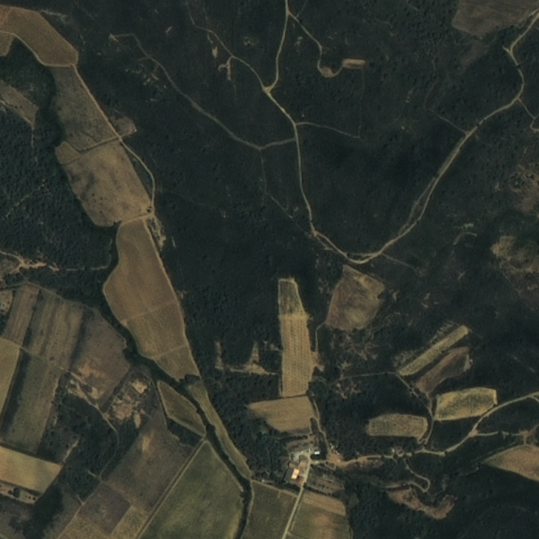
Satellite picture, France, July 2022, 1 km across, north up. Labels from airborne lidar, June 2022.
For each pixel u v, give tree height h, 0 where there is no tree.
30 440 0
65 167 0
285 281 0
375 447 7
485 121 6
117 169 0
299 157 0
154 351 0
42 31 0
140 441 0
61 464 0
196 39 0
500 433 9
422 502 6
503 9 0
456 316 0
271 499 0
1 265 0
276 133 0
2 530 0
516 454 0
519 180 8
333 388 7
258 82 0
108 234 7
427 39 10
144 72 6
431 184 0
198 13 0
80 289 9
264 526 0
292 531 0
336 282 10
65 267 8
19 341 0
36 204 9
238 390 7
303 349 0
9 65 6
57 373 0
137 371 0
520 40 0
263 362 7
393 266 0
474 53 0
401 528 8
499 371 7
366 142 0
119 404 0
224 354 9
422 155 7
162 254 6
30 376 0
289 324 0
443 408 0
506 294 0
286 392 0
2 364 0
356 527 8
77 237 5
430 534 8
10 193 9
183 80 0
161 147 8
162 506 0
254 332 10
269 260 10
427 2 9
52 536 0
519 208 0
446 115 9
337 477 12
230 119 0
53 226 7
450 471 6
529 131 0
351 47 0
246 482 6
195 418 0
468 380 6
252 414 0
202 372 10
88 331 0
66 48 0
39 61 0
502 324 0
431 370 0
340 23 0
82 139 0
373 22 6
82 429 11
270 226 12
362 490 11
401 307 0
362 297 0
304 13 0
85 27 0
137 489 0
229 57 0
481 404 0
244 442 6
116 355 0
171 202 10
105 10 0
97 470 9
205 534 0
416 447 9
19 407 0
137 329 0
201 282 0
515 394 9
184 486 0
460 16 0
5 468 0
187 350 0
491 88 7
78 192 0
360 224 6
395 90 0
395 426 0
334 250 0
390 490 7
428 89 10
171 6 0
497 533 6
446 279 0
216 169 12
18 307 0
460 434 8
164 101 9
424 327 0
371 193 8
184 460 0
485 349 7
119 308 0
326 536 0
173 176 11
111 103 9
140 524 0
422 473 6
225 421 10
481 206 0
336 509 0
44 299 0
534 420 8
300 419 0
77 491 6
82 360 0
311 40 0
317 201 0
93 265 5
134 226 0
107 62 0
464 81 8
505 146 7
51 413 0
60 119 0
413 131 0
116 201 0
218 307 8
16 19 0
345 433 7
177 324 0
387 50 0
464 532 7
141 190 0
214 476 0
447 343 0
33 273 7
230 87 0
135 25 0
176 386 7
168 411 0
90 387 0
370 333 0
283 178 0
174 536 0
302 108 8
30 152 12
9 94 0
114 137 0
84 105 0
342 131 0
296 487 10
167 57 0
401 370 0
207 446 0
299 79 10
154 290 0
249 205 10
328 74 0
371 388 7
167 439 0
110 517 0
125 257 0
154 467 0
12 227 10
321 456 10
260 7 7
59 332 0
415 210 0
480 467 8
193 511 0
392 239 0
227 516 0
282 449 11
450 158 0
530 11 0
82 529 0
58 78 0
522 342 10
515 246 0
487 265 0
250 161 0
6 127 6
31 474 0
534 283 0
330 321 0
